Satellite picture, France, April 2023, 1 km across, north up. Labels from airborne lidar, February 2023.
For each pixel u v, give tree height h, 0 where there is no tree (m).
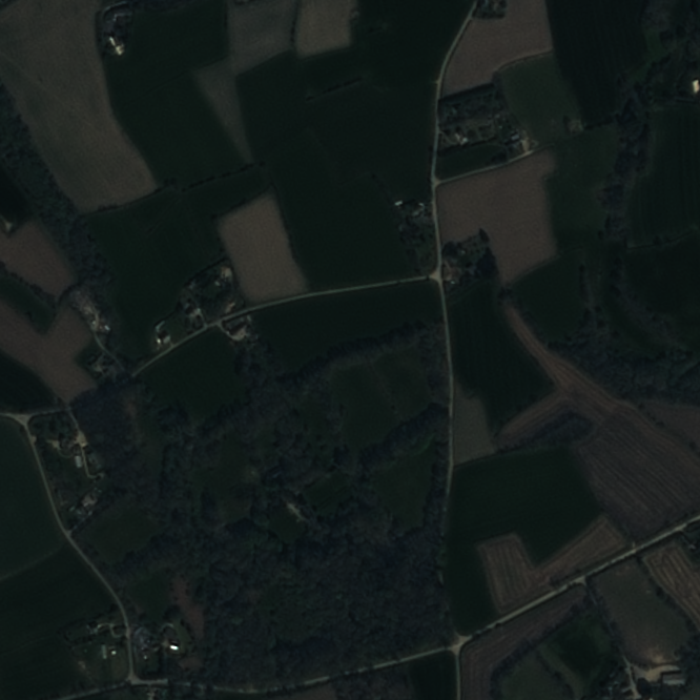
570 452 0
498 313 0
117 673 0
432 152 10
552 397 0
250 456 16
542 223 0
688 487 0
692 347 0
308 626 9
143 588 0
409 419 0
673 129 0
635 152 11
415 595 31
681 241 0
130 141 0
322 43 0
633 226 0
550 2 0
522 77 0
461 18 0
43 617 0
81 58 0
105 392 21
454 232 0
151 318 0
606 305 0
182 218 0
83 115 0
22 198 0
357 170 0
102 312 29
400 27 0
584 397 0
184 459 32
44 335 0
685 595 0
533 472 0
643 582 0
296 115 0
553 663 0
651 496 0
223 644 28
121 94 0
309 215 0
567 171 0
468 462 0
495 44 0
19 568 0
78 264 13
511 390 0
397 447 24
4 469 0
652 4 31
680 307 0
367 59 0
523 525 0
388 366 0
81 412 25
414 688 0
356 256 0
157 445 0
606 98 0
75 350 0
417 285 0
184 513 19
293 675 28
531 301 0
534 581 0
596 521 0
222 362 0
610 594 0
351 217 0
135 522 0
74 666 0
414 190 0
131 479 27
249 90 0
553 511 0
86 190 0
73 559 0
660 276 0
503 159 11
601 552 0
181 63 0
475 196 0
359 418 0
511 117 0
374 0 0
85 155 0
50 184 16
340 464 25
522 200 0
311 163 0
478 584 0
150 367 0
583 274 10
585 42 0
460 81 0
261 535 19
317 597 26
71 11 0
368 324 0
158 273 0
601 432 0
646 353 0
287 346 0
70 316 0
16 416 0
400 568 29
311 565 23
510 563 0
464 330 0
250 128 0
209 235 0
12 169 6
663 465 0
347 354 20
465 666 0
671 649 0
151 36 0
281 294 0
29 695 0
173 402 0
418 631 27
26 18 0
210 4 0
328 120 0
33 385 0
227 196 0
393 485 0
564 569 0
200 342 0
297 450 17
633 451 0
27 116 0
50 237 8
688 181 0
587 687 0
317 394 22
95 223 0
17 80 0
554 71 0
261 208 0
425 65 0
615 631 18
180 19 0
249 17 0
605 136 0
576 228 0
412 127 0
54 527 0
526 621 0
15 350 0
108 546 0
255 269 0
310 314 0
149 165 0
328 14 0
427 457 0
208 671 7
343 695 17
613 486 0
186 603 0
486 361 0
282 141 0
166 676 12
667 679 0
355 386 0
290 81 0
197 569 10
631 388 10
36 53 0
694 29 12
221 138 0
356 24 0
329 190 0
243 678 28
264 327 0
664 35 7
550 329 0
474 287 0
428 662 0
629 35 0
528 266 0
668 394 18
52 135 0
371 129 0
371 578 21
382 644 23
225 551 26
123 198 0
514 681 0
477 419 0
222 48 0
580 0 0
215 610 27
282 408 21
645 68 0
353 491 16
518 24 0
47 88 0
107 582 18
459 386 0
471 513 0
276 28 0
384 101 0
